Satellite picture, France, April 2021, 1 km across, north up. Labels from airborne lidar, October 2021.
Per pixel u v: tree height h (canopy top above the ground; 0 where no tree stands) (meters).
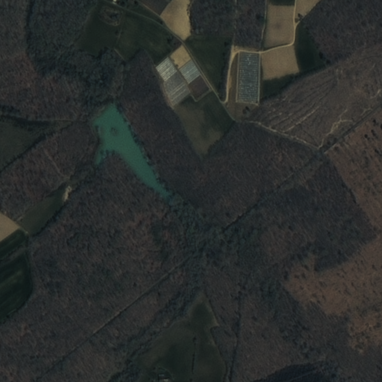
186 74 0
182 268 12
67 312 12
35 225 0
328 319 13
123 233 12
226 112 0
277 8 0
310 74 14
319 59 0
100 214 13
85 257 11
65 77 22
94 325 16
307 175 19
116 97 17
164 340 0
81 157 9
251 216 17
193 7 15
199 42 0
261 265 22
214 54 0
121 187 15
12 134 0
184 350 0
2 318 0
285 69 0
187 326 0
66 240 8
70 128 12
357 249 17
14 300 0
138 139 18
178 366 0
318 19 7
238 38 18
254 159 8
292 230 20
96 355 19
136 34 0
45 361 14
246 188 10
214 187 11
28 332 7
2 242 0
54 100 8
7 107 10
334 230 14
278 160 10
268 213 18
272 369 15
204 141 0
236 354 16
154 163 11
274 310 23
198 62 0
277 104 0
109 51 18
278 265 10
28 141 0
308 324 16
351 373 20
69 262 11
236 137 11
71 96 17
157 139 8
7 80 10
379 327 18
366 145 17
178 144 11
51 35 25
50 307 15
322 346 19
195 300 15
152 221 13
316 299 19
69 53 8
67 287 16
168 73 0
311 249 20
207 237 25
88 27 0
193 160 12
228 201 10
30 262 13
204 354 0
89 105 24
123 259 13
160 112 14
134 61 17
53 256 14
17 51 22
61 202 0
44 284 11
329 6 7
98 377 24
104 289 15
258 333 11
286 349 17
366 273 0
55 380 26
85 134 10
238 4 18
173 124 18
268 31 0
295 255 11
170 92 0
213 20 18
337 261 14
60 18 26
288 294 17
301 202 15
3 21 23
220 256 25
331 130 0
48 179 18
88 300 16
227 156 8
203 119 0
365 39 6
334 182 10
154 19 0
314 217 15
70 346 13
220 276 17
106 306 18
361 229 10
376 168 0
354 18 9
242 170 12
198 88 0
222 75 9
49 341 17
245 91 0
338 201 7
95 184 10
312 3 0
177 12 0
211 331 10
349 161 0
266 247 12
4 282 0
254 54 0
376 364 19
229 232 23
